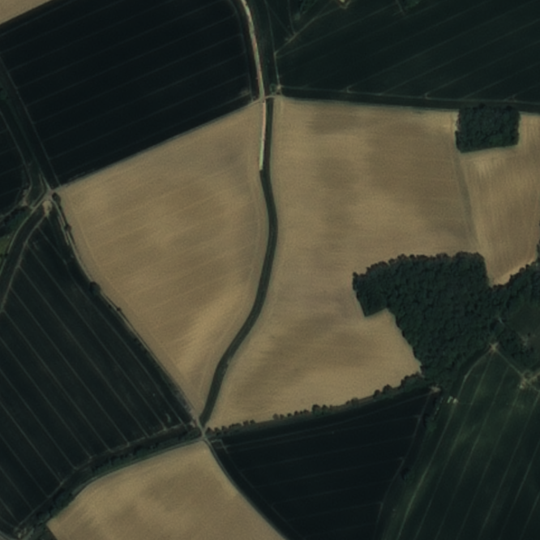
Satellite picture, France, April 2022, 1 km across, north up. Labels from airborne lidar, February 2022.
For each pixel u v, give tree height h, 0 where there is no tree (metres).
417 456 0
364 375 0
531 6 0
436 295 20
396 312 20
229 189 0
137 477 0
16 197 0
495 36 0
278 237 0
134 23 0
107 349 0
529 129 0
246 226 0
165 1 0
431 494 0
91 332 0
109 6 0
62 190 0
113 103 0
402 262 19
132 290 0
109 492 0
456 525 0
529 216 0
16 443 0
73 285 0
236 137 0
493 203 0
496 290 13
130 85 0
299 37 0
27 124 0
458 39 0
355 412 0
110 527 0
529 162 0
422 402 0
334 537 0
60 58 0
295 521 0
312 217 0
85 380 0
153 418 0
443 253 0
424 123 0
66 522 0
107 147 0
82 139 0
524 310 0
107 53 0
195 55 0
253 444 0
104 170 0
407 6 11
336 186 0
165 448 0
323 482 0
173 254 0
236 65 0
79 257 0
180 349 0
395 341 0
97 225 0
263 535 0
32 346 0
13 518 0
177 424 0
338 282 0
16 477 0
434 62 0
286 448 0
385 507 0
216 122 0
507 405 0
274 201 0
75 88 0
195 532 0
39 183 0
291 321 0
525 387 0
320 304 0
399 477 0
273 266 0
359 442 0
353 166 0
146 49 0
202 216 0
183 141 0
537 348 0
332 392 0
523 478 0
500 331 20
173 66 0
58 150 0
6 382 0
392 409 0
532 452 0
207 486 0
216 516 0
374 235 0
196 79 0
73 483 0
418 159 0
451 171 0
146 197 0
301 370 0
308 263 0
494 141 22
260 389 0
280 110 0
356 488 0
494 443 0
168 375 0
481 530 0
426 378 15
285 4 0
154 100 0
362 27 0
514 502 0
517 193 0
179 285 0
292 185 0
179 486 0
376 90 0
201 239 0
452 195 0
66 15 0
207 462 0
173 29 0
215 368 0
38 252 0
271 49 0
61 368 0
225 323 0
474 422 0
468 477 0
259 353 0
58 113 0
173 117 0
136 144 0
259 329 0
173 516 0
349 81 0
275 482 0
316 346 0
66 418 0
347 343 0
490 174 0
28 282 0
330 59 0
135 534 0
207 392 0
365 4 0
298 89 0
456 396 0
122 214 0
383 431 0
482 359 0
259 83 0
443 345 23
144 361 0
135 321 0
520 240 0
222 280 0
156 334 0
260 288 0
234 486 0
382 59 0
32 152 0
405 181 0
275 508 0
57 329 0
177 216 0
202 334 0
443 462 0
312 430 0
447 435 0
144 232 0
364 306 9
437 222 0
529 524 0
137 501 0
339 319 0
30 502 0
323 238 0
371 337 0
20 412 0
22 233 0
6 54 0
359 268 0
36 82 0
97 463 0
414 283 27
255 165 0
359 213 0
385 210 0
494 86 0
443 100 0
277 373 0
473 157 0
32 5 0
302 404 0
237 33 0
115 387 0
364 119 0
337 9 0
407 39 0
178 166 0
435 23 0
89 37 0
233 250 0
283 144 0
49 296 0
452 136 0
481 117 17
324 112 0
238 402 0
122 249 0
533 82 0
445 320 28
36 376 0
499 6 0
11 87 0
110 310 8
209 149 0
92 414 0
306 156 0
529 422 0
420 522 0
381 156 0
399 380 0
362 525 0
